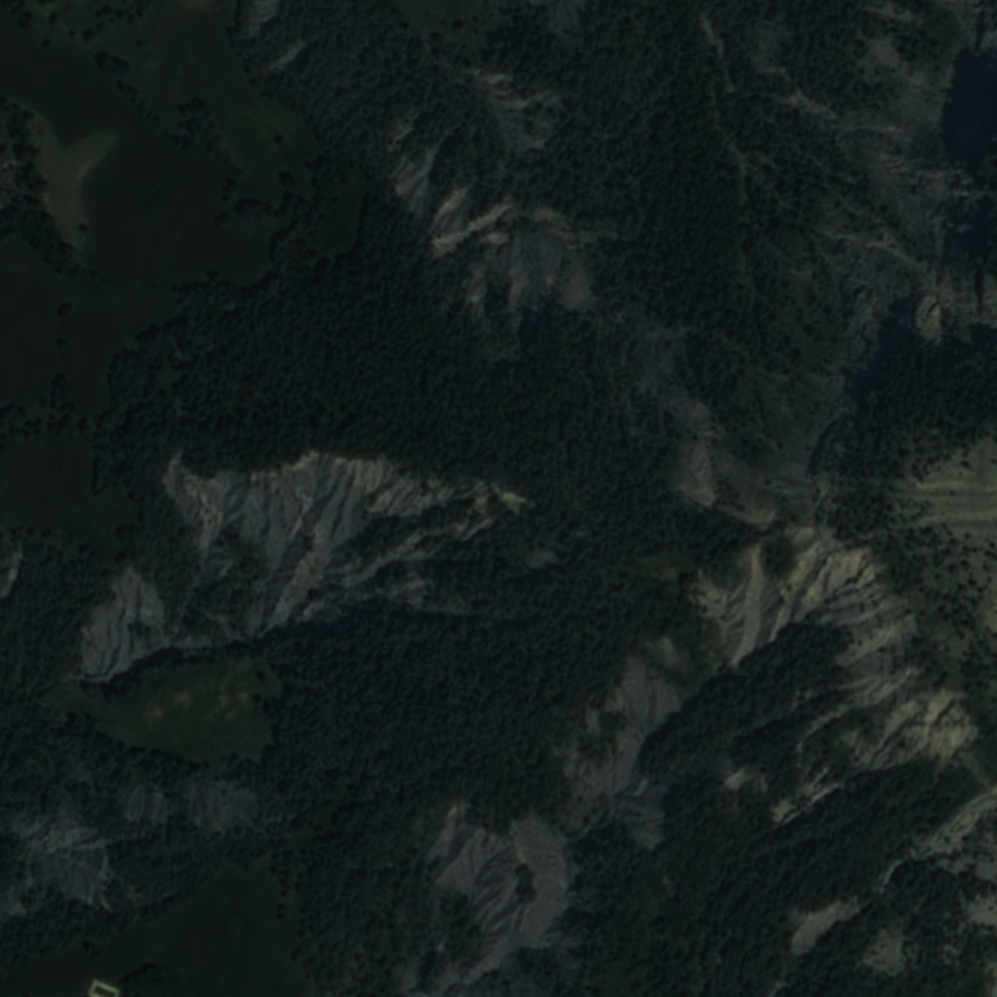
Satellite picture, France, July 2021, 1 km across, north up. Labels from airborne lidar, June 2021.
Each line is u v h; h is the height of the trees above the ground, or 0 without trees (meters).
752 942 10
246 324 21
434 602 7
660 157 25
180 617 9
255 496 0
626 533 10
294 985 0
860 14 15
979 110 0
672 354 0
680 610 12
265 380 18
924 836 8
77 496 0
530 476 13
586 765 0
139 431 12
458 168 10
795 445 0
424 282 21
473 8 0
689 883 9
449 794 10
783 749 12
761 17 7
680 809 16
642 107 15
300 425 23
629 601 10
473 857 0
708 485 0
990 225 8
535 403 28
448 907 7
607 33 21
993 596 0
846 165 10
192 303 14
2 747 11
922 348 14
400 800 15
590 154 19
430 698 14
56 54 0
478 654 14
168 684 0
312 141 0
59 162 0
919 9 15
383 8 14
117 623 0
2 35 0
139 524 8
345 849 17
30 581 14
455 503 8
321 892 17
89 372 0
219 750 0
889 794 11
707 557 8
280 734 17
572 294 0
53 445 0
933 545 7
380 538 15
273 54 13
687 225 16
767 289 9
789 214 6
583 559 11
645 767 8
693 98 20
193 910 0
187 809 9
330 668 24
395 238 24
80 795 15
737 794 9
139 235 0
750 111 19
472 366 19
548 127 0
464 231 0
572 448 20
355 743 15
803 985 10
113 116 0
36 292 0
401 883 14
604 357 12
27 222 22
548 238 0
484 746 14
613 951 8
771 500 0
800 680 10
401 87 15
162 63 0
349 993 10
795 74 16
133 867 16
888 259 0
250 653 12
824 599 0
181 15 0
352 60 12
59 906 15
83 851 0
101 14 8
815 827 10
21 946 14
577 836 10
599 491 10
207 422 23
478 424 22
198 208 0
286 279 16
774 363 9
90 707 0
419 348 24
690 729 15
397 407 22
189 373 14
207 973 0
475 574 22
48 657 16
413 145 11
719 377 12
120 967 0
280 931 0
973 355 11
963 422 10
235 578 10
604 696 11
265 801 7
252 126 0
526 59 12
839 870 14
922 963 7
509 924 0
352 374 16
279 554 0
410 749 17
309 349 19
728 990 8
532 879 7
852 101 13
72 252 14
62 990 0
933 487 0
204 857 13
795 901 9
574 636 11
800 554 0
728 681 11
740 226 16
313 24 13
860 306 0
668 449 8
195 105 14
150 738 0
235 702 0
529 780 10
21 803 12
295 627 10
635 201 14
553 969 13
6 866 18
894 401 19
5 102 15
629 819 0
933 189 0
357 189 0
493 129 13
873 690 0
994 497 0
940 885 11
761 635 0
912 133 0
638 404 10
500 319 10
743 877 12
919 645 7
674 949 11
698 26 14
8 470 0
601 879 8
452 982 0
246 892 0
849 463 11
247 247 0
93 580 14
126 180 0
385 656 19
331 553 0
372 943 11
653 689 0
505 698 13
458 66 12
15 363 0
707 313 25
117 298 0
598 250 8
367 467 0
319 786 13
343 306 20
